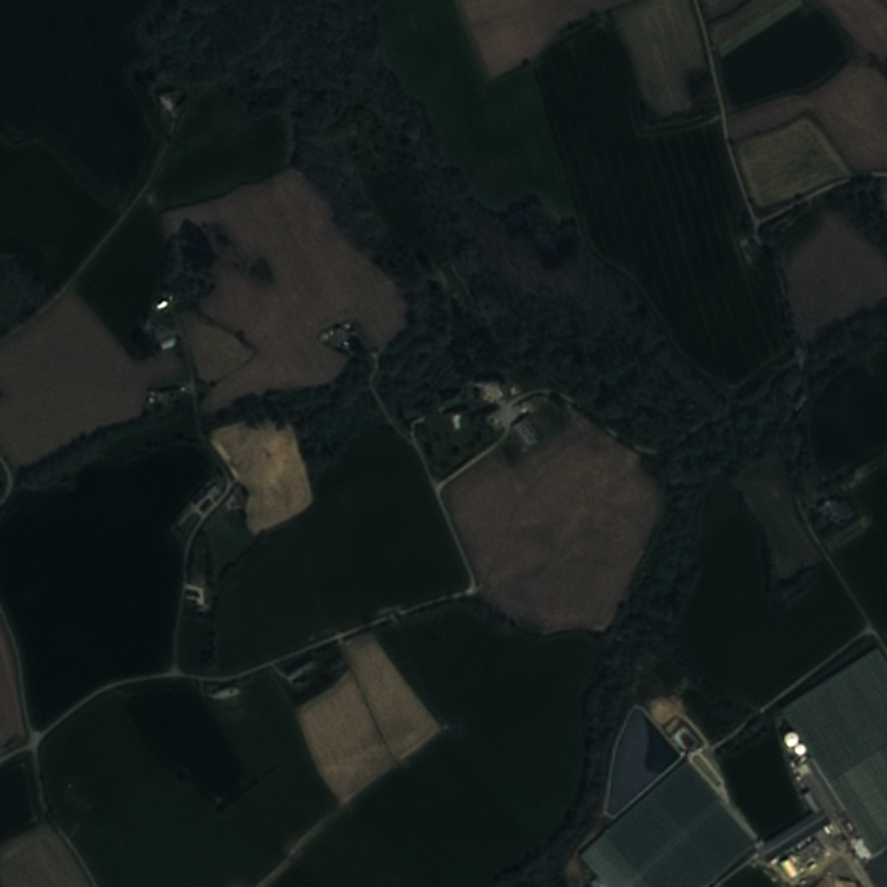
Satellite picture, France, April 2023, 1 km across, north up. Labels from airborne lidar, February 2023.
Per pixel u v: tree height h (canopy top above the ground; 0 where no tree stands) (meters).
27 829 0
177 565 0
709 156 0
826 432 0
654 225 0
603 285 15
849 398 0
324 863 0
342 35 17
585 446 0
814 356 15
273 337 0
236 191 0
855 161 0
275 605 0
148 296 0
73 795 0
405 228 0
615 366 31
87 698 0
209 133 0
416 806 0
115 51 0
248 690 0
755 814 0
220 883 0
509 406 0
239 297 0
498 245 18
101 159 0
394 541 0
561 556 0
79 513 0
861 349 23
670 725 0
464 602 11
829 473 0
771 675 0
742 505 18
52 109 0
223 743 0
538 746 0
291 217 0
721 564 0
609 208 0
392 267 20
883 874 0
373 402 22
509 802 0
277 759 0
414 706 0
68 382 0
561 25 0
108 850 0
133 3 0
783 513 0
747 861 0
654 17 0
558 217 0
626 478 0
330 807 0
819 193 0
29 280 11
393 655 0
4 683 0
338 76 16
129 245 0
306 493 0
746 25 0
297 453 0
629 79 0
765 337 0
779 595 14
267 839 0
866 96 0
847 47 0
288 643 0
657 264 0
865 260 0
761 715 7
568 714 0
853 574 0
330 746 0
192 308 12
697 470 15
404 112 23
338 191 17
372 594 0
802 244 0
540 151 0
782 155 0
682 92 0
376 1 15
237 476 0
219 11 18
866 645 0
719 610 0
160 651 0
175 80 12
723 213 0
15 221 0
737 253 0
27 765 0
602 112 0
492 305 28
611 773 0
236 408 9
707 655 0
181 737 0
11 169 0
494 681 0
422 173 9
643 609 8
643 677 0
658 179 0
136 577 0
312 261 0
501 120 0
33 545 0
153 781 0
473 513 0
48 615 0
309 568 0
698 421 16
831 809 0
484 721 0
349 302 0
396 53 0
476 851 0
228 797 0
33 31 0
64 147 0
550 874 8
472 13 0
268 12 19
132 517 0
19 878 0
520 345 23
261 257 0
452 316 6
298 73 9
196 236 21
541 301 17
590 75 0
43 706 0
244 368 0
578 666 0
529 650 0
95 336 0
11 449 0
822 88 0
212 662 15
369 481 0
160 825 0
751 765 0
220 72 15
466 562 0
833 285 0
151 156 0
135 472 0
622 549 0
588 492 0
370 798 0
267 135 0
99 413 0
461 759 0
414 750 0
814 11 0
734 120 0
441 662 0
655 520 0
